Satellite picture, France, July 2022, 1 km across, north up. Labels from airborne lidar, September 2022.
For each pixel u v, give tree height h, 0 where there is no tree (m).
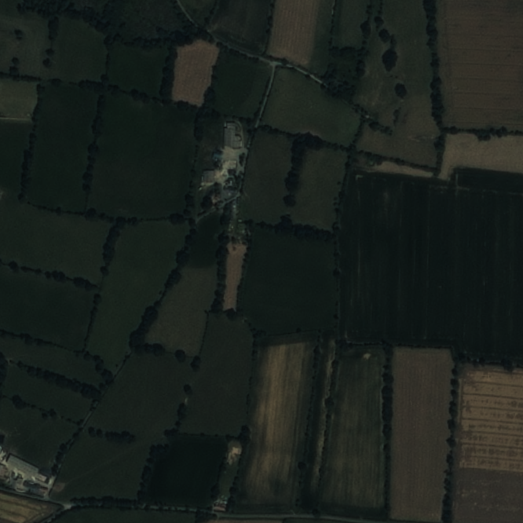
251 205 0
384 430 10
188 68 0
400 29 0
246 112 0
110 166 0
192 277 0
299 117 0
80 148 0
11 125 0
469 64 0
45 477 0
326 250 0
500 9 0
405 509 0
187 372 0
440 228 0
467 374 0
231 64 0
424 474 0
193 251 0
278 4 0
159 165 0
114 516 0
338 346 13
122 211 0
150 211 0
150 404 0
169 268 0
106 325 0
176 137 0
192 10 0
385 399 17
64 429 0
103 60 0
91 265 0
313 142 23
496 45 0
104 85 15
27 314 0
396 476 0
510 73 0
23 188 15
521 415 0
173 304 0
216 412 0
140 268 0
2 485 7
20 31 8
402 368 0
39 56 0
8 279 0
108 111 0
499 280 0
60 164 0
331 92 9
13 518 0
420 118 0
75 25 0
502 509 0
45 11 19
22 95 0
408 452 0
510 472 0
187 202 12
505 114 0
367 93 0
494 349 0
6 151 0
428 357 0
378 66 0
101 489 0
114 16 10
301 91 0
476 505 0
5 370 15
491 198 0
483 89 0
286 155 0
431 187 0
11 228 0
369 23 13
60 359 0
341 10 0
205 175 0
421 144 0
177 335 0
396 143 0
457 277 0
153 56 0
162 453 19
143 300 0
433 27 11
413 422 0
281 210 0
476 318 0
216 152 0
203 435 9
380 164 0
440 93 17
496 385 0
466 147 0
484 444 0
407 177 0
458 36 0
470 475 0
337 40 0
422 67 0
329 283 0
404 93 16
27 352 0
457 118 0
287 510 0
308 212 0
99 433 13
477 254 0
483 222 0
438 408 0
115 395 0
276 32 0
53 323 0
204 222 0
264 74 0
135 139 0
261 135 0
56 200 0
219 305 18
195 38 10
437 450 0
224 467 9
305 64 0
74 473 0
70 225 0
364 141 0
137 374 0
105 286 0
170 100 7
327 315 0
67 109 0
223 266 17
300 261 0
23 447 0
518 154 0
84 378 0
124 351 0
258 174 0
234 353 0
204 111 16
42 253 0
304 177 0
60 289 0
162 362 0
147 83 0
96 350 0
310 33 0
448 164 0
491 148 0
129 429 0
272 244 0
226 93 0
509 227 0
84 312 0
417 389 0
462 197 0
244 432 14
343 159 0
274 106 0
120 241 0
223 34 0
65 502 0
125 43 8
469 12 0
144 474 14
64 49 0
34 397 0
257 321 0
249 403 6
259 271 0
